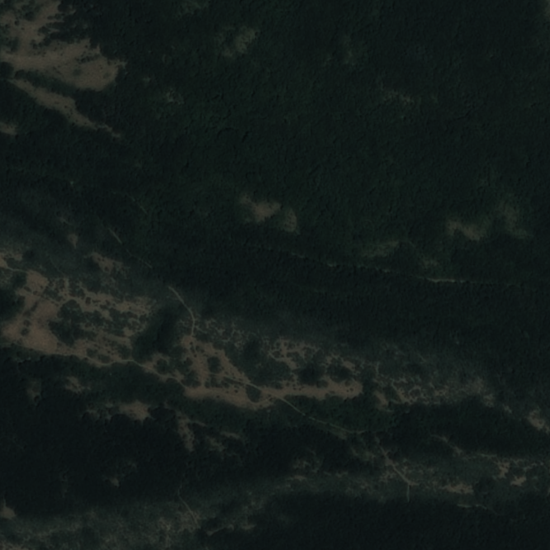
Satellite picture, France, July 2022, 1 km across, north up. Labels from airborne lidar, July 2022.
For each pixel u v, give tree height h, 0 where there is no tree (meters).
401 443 13
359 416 7
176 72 23
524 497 6
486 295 17
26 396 14
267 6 14
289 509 9
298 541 11
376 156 16
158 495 6
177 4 9
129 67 13
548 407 7
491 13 17
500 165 16
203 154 19
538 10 13
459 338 12
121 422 18
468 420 15
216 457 9
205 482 8
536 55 10
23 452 10
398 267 18
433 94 11
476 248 13
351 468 10
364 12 16
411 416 11
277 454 15
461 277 10
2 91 17
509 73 12
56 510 9
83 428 15
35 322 0
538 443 11
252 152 19
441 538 10
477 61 12
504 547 10
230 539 10
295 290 16
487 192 14
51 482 11
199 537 8
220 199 11
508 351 13
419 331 13
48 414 14
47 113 16
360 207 12
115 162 17
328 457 8
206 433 6
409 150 17
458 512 12
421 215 18
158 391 6
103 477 11
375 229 6
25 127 8
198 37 16
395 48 15
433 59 13
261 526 7
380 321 13
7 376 19
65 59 0
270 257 16
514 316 21
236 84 11
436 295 17
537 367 13
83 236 11
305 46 18
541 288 17
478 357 7
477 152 18
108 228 10
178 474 10
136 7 26
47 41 9
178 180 12
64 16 6
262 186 14
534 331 19
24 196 6
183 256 9
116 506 7
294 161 17
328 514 12
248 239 15
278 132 16
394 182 12
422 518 10
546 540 12
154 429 15
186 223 15
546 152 15
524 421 8
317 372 9
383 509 13
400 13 16
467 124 20
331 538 10
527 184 14
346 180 17
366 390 9
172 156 27
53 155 13
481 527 11
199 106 11
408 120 25
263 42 15
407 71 14
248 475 9
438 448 10
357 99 11
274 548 8
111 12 22
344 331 7
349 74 15
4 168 10
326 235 12
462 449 8
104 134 11
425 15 20
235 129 8
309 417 6
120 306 0
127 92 17
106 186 21
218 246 16
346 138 16
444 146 14
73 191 16
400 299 10
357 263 11
